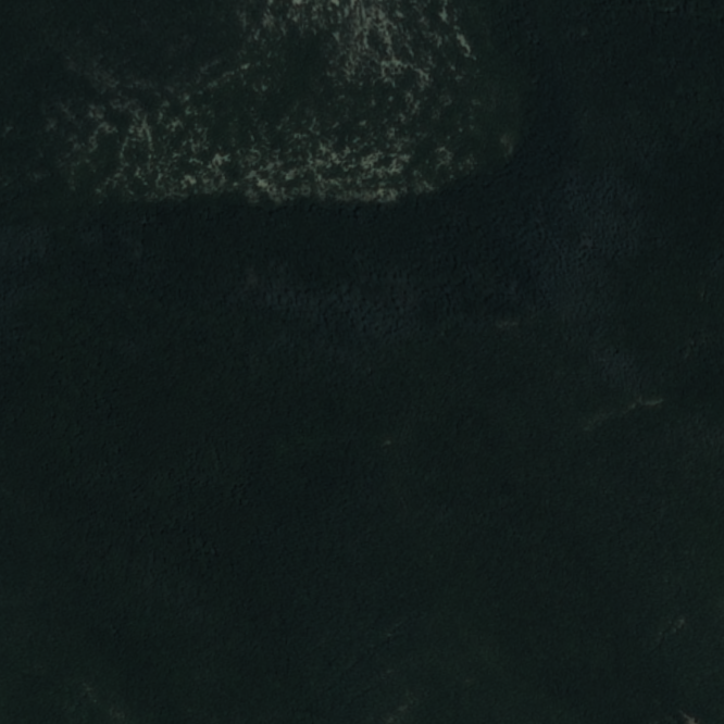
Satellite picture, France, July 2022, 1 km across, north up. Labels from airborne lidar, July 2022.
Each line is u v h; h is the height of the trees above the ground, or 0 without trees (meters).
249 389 15
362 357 9
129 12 7
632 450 7
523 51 13
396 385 11
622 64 13
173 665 11
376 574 11
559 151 11
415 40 7
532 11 16
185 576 15
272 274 12
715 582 6
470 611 9
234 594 16
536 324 5
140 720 8
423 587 6
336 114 6
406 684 7
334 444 15
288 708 15
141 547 20
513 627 11
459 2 6
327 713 10
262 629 16
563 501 8
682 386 12
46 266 15
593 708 12
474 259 13
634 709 14
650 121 11
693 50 14
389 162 7
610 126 10
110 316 20
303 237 13
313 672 10
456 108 6
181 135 9
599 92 11
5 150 6
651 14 16
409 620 7
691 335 8
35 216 11
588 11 13
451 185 11
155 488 23
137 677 21
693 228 10
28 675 9
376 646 8
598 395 7
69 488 19
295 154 6
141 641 16
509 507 16
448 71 6
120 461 23
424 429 11
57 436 20
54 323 15
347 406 16
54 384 25
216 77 6
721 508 9
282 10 5
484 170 14
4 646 7
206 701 9
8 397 14
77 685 8
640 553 10
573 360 9
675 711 14
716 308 13
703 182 18
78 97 6
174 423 18
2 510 13
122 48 6
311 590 12
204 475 14
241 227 21
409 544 8
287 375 14
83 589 15
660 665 8
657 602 7
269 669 16
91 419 22
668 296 10
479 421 12
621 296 13
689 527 8
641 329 11
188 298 18
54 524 11
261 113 8
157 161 6
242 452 17
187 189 6
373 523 9
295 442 19
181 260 20
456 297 15
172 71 6
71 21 7
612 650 12
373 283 8
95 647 12
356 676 9
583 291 18
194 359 17
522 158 14
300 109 6
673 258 12
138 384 23
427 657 7
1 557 8
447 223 11
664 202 11
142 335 19
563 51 8
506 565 12
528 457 8
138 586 16
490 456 10
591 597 12
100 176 7
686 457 7
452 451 10
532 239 10
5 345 13
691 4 23
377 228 14
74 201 7
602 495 7
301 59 8
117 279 19
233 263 15
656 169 12
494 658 7
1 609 5
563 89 8
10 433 13
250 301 6
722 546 9
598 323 16
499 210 10
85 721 6
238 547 17
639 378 13
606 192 16
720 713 9
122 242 22
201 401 20
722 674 7
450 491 14
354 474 10
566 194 6
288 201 14
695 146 16
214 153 6
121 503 21
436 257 11
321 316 9
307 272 14
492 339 9
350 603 8
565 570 12
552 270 7
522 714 6
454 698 9
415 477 7
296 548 14
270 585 13
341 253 11
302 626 13
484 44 6
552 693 11
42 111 7
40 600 9
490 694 6
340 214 18
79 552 16
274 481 18
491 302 11
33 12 6
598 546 12
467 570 9
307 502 12
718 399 12
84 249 14
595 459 10
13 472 11
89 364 22
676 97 13
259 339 12
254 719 9
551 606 15
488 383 8
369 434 12
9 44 9
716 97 23
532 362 6
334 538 9
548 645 11
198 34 6
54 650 9
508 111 6
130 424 28
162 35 6
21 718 9
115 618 17
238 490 16
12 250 17
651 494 7
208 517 18
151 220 24
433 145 6
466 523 10
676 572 6
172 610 15
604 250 13
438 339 10
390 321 11
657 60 13
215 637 7
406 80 6
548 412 13
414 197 11
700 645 7
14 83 7
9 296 16
